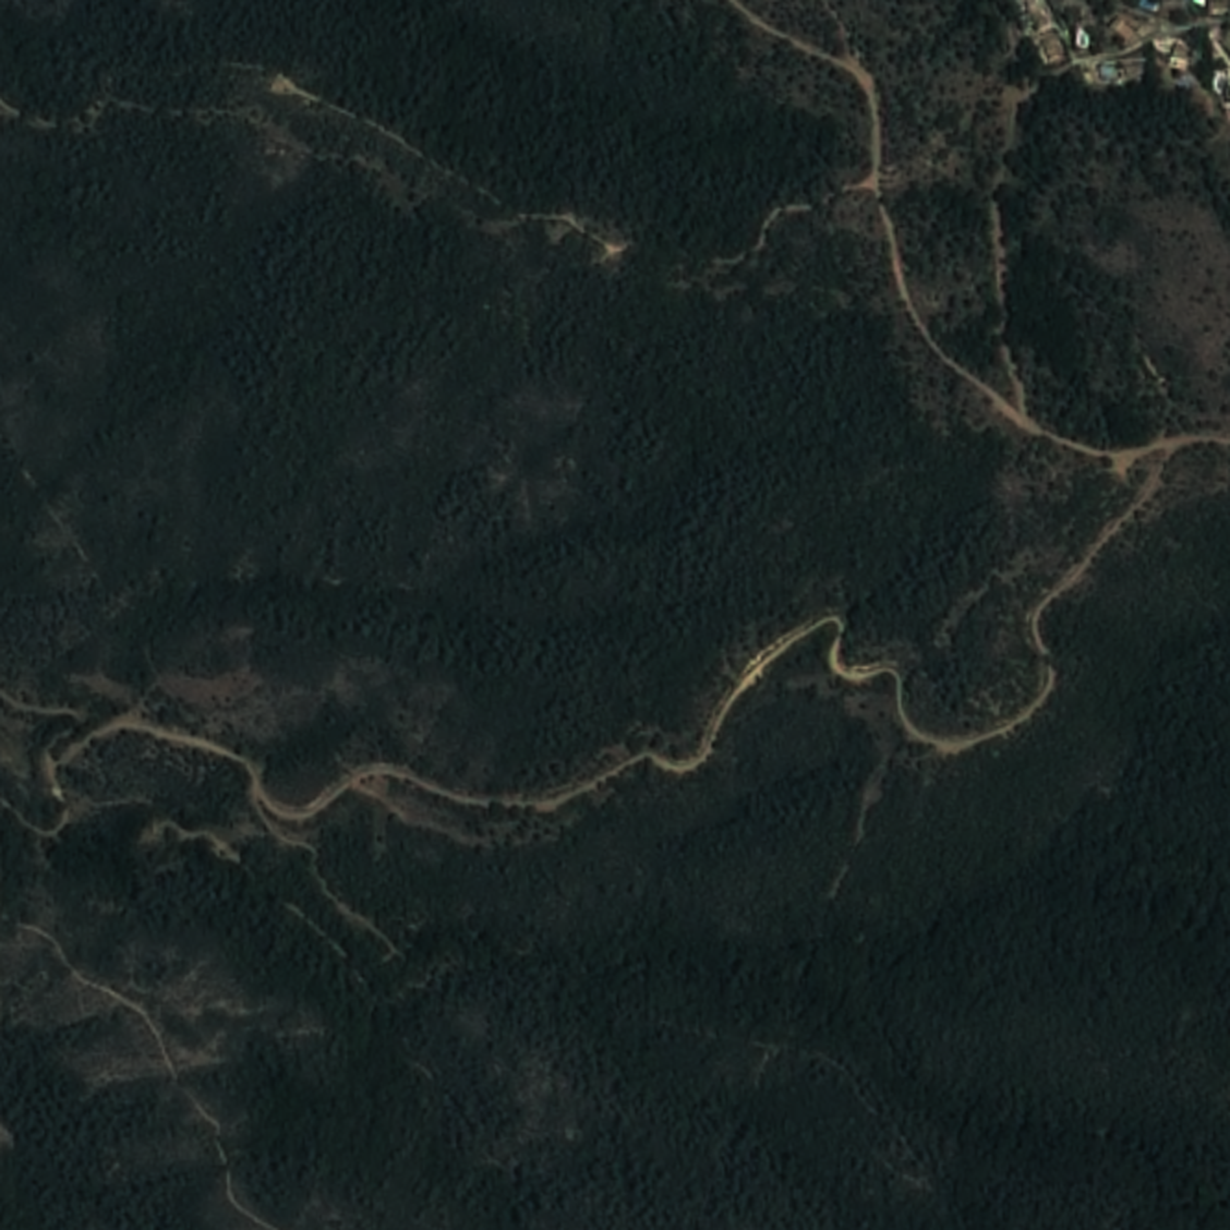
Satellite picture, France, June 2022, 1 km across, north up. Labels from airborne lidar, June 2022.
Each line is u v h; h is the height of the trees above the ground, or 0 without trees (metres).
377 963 7
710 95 6
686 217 10
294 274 15
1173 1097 9
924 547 15
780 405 10
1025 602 5
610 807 11
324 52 14
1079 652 14
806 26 8
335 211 15
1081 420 9
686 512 12
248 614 8
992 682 6
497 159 6
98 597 13
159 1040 0
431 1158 10
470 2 12
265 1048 8
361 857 6
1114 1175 13
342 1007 13
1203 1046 7
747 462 11
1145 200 7
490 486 12
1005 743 10
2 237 7
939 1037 5
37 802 15
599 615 13
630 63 8
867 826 7
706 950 13
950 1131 13
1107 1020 8
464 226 8
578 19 8
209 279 8
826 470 12
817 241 5
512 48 14
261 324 9
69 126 9
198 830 13
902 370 7
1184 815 16
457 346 13
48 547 0
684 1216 13
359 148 8
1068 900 18
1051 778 7
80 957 8
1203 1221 20
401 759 7
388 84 14
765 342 13
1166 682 8
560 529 8
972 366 9
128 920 7
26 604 8
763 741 6
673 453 11
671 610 6
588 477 17
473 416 6
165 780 8
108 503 14
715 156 11
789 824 12
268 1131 11
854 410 11
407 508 8
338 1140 10
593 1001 8
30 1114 13
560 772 14
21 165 6
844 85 12
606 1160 6
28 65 13
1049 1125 22
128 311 8
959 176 7
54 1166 12
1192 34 7
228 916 14
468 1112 19
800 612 9
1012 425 0
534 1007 17
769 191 14
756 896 7
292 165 0
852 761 6
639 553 12
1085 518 10
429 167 6
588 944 8
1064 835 9
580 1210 5
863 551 8
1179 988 13
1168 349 6
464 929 11
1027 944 9
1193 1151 14
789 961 14
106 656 0
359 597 10
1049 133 8
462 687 6
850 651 8
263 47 14
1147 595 7
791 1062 6
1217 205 12
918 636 7
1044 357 12
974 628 8
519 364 11
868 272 8
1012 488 0
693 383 9
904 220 8
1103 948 13
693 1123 18
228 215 14
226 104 9
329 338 8
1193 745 14
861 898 8
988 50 17
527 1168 10
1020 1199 17
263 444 5
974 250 13
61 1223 15
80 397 6
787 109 11
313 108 7
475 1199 18
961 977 13
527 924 14
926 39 7
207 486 6
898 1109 9
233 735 7
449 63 15
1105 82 0
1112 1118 13
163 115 11
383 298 10
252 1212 0
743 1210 13
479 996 16
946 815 10
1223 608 6
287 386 13
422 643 6
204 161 10
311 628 7
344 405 8
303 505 6
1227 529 10
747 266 7
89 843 11
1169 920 16
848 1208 7
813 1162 8
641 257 9
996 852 9
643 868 7
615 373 8
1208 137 10
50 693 8
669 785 7
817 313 10
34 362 15
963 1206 10
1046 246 13
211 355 7
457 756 6
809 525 6
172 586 11
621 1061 11
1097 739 6
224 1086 13
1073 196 7
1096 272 9
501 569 14
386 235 14
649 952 13
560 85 6
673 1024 6
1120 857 15
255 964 7
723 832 13
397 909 12
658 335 10
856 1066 12
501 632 16
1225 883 17
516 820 7
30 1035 12
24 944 0
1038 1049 7
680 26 17
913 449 8
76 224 10
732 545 12
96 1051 0
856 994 14
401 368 15
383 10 6
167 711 12
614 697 8
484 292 6
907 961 17
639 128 16
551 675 10
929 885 10
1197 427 7
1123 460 0
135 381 7
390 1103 8
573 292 6
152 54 12
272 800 0
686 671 9
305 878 8
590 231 6
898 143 9
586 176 6
